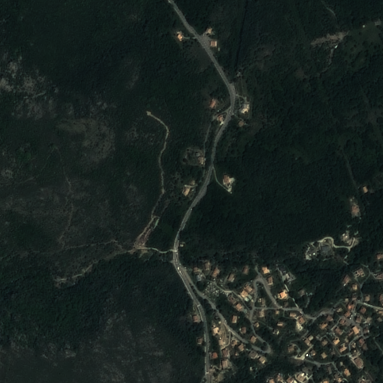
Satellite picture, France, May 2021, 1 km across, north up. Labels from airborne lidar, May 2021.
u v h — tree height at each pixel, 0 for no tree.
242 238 9
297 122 7
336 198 12
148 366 0
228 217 10
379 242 16
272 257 14
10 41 6
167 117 7
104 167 7
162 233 5
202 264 10
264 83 6
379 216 17
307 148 7
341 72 12
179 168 9
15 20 9
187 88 12
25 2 8
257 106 8
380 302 8
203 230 8
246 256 12
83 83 14
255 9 8
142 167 6
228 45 10
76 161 8
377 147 16
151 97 12
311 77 11
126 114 7
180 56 7
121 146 6
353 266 14
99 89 9
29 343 7
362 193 9
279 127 6
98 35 8
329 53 7
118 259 9
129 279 8
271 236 10
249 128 9
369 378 0
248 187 9
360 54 10
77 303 16
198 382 5
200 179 10
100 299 8
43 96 9
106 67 13
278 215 13
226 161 14
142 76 8
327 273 17
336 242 8
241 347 0
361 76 14
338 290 10
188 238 11
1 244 6
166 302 12
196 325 15
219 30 8
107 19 7
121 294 6
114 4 6
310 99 14
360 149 6
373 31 0
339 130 11
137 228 6
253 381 6
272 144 8
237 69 7
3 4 6
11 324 16
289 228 12
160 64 16
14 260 7
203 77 9
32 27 6
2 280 13
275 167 12
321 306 11
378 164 7
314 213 9
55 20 6
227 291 0
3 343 9
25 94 8
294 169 11
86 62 14
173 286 10
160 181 7
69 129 0
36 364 0
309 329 11
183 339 8
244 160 12
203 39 0
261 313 0
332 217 16
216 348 9
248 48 9
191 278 0
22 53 8
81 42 6
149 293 7
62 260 7
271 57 7
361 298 9
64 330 8
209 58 0
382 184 7
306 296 13
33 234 6
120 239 8
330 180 13
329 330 12
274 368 7
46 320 11
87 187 7
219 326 0
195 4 10
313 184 12
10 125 6
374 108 7
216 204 14
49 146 11
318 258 12
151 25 15
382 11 12
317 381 10
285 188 6
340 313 11
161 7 13
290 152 6
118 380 0
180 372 7
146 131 8
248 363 9
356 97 8
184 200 9
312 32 9
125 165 6
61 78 12
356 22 16
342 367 9
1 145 8
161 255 12
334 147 12
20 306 14
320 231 13
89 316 13
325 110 10
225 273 7
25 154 16
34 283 9
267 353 9
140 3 7
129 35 13
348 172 13
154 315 7
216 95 8
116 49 13
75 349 10
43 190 0
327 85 17
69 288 9
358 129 9
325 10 12
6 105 8
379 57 18
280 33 8
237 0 6
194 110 10
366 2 14
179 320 8
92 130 0
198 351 12
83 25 6
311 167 11
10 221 8
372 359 13
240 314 9
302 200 7
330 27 7
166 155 6
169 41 14
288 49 6
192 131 9
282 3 9
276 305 0
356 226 10
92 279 8
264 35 6
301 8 11
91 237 8
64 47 5
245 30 10
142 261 11
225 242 5
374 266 7
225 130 7
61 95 7
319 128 10
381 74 11
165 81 15
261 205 10
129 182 6
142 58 7
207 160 8
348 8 17
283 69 6
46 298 9
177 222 17
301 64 6
